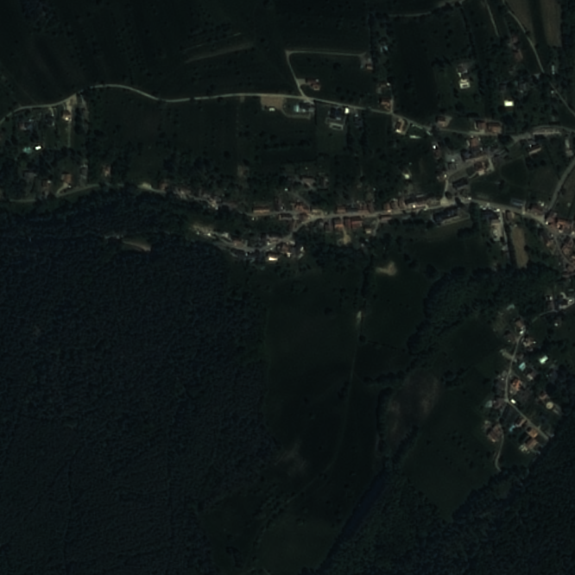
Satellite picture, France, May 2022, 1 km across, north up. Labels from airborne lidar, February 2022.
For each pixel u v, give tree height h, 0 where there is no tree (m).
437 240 0
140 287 26
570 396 16
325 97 0
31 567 18
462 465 0
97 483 26
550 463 27
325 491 0
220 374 25
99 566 21
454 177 0
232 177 7
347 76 0
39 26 12
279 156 0
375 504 31
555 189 0
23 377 23
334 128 0
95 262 27
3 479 16
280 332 0
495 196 0
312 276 0
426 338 15
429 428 0
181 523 25
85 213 33
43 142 0
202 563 28
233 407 26
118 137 0
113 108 0
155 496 23
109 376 25
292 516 0
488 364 0
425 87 0
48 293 30
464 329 0
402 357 0
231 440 25
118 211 31
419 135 0
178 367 29
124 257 22
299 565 0
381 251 0
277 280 0
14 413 18
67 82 0
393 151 0
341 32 0
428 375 0
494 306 19
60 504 24
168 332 30
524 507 21
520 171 0
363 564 21
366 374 0
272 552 0
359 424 0
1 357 21
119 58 0
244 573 0
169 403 28
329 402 0
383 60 0
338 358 0
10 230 32
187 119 0
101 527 24
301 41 0
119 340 29
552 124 9
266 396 7
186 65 0
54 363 28
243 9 0
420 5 0
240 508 0
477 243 0
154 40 0
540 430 0
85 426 23
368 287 15
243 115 0
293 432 0
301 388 0
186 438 26
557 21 0
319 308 0
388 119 0
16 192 17
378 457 0
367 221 0
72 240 13
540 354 14
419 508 15
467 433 0
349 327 0
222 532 0
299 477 0
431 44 0
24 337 26
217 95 0
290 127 0
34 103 0
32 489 17
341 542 20
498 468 0
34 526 18
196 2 0
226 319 34
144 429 28
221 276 23
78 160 7
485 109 0
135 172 0
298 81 0
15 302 28
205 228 0
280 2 0
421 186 0
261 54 0
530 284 20
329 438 0
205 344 28
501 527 20
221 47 0
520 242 0
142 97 0
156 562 22
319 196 10
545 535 23
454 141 0
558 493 18
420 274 0
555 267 0
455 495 0
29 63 0
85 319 24
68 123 0
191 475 29
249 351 31
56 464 15
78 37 0
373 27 15
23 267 34
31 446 16
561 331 0
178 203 9
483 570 21
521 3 0
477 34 0
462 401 0
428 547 26
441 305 27
